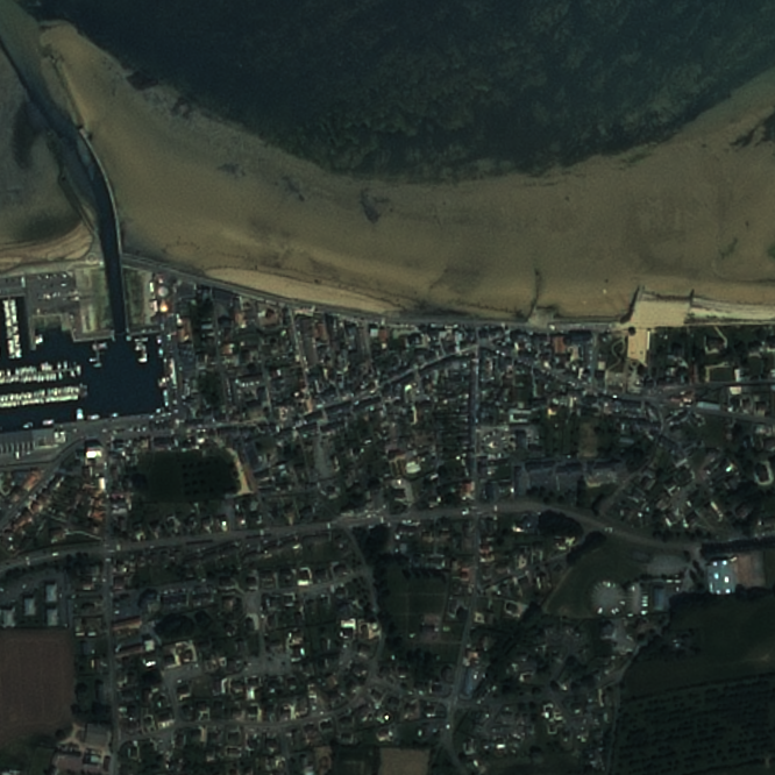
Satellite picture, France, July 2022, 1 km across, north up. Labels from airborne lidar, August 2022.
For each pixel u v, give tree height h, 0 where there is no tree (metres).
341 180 0
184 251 0
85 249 0
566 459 0
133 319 0
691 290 0
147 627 0
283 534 0
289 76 0
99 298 0
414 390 0
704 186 0
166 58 0
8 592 0
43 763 0
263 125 0
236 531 0
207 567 0
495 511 0
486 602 0
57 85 0
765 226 0
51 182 0
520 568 0
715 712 7
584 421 0
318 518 6
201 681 0
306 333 0
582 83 0
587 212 0
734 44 0
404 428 0
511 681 8
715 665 0
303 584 0
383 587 17
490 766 0
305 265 0
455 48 0
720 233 0
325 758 0
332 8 0
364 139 0
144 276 0
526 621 14
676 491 0
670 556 0
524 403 0
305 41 0
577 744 0
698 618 0
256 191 0
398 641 18
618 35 0
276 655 0
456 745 0
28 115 0
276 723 0
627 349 0
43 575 0
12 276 0
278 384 0
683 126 0
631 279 0
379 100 0
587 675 13
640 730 6
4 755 0
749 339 0
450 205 0
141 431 0
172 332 0
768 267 0
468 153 0
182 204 0
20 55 0
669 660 9
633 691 0
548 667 9
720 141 0
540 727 0
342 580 0
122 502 0
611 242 0
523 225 0
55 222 0
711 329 0
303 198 0
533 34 0
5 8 0
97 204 0
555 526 17
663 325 0
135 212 0
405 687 8
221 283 0
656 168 0
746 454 16
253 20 0
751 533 16
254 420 0
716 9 0
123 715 0
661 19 0
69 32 0
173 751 0
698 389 0
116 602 7
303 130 0
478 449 0
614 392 0
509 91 0
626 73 0
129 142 0
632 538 0
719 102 0
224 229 0
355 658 0
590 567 0
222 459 0
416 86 0
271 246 0
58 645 0
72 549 0
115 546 0
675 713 5
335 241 0
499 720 0
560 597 0
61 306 0
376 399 0
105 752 0
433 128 0
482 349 0
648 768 7
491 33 0
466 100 0
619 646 0
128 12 0
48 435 0
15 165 0
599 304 0
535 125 0
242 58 0
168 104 0
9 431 0
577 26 0
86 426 0
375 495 0
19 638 0
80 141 0
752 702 7
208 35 0
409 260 0
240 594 0
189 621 16
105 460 0
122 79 0
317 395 0
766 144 0
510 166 0
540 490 8
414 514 0
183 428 0
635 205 0
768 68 0
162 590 0
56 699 0
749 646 0
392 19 0
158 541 0
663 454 0
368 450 0
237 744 0
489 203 0
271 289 0
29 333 0
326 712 0
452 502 7
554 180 0
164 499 0
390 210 0
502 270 0
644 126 0
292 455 12
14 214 0
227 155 0
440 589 0
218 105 0
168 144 0
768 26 0
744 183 0
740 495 18
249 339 0
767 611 0
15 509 0
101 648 0
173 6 0
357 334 0
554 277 0
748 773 0
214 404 6
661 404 0
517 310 0
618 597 0
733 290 0
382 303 0
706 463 0
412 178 0
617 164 0
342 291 0
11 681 0
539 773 0
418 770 0
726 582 0
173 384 0
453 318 0
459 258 0
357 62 0
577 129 0
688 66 0
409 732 0
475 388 0
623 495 0
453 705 0
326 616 0
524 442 0
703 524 0
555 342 0
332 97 0
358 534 9
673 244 0
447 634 0
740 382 0
